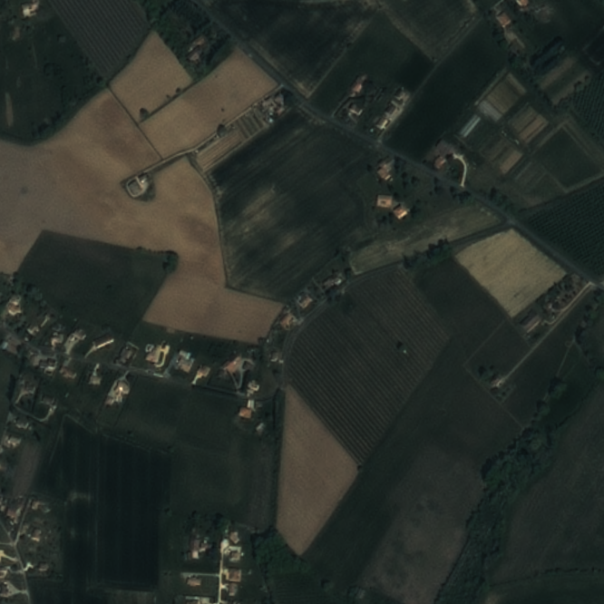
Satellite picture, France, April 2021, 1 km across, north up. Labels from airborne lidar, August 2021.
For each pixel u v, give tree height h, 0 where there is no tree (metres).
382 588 0
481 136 0
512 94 0
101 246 0
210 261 0
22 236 0
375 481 0
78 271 0
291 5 0
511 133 0
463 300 0
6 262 0
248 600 0
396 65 0
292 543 0
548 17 0
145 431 0
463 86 0
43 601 0
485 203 0
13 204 0
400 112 0
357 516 0
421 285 0
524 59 10
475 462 0
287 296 0
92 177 0
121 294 0
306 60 0
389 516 0
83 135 0
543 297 5
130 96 0
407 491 0
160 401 0
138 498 0
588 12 0
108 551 0
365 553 0
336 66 0
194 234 0
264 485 0
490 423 0
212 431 0
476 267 0
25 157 0
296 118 0
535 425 8
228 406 0
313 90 0
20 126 0
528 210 7
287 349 0
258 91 0
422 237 0
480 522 9
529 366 0
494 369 8
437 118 0
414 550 0
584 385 0
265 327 0
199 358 0
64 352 0
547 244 0
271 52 0
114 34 7
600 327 0
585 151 0
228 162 0
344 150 0
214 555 18
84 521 0
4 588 0
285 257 0
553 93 0
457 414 0
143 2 15
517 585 0
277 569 18
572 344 0
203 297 0
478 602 14
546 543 0
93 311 0
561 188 0
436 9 0
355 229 0
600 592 0
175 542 0
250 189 0
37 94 0
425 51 0
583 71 0
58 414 0
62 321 0
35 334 10
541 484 0
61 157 0
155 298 0
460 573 7
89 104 0
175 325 0
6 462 0
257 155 0
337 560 0
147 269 0
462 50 0
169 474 0
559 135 0
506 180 0
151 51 0
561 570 7
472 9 0
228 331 0
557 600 0
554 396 13
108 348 10
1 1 6
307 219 0
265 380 0
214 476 0
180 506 0
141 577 0
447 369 0
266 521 0
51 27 0
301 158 0
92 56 6
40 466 0
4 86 0
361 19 0
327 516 0
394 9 0
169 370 0
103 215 0
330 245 0
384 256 0
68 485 0
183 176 0
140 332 0
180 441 0
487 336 0
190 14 17
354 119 8
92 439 0
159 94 0
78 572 0
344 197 0
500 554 15
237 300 0
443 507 0
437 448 0
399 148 0
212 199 0
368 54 0
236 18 0
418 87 0
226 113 0
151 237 0
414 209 8
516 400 0
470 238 0
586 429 0
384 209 0
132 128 0
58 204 0
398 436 0
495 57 0
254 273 0
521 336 0
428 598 0
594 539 0
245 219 0
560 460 0
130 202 0
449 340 0
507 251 0
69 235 0
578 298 0
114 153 0
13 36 0
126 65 0
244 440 0
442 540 0
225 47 19
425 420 0
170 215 0
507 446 0
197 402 0
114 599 0
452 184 0
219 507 0
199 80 10
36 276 0
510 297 0
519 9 9
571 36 0
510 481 19
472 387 0
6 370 0
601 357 0
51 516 0
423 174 0
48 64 7
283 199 0
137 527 0
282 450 0
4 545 0
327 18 0
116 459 0
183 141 0
